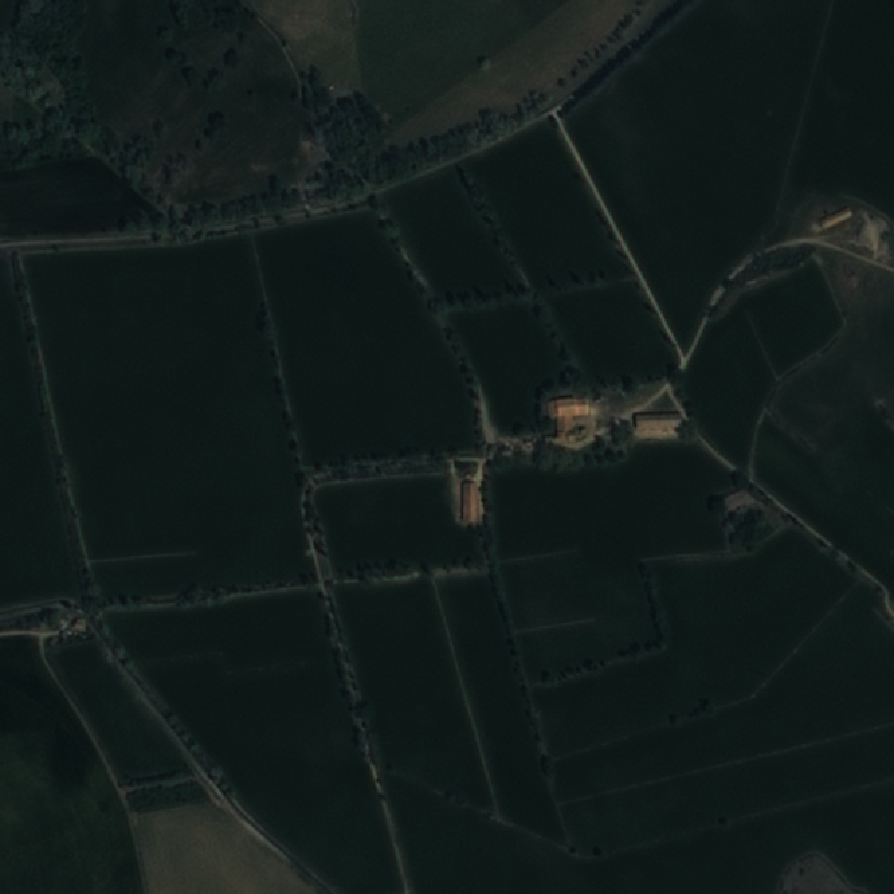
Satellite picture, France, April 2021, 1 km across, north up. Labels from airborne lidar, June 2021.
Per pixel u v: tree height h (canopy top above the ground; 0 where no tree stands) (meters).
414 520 0
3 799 0
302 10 0
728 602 0
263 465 0
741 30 0
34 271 0
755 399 0
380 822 0
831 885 0
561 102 0
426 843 0
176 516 0
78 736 0
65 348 0
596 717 0
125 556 0
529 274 0
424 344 0
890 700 0
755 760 0
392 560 0
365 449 0
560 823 0
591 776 0
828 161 0
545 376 0
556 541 0
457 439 0
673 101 0
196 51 0
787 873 0
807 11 0
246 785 0
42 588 0
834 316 0
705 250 0
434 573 18
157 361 0
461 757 0
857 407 0
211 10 16
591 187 0
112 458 0
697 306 0
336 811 0
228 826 0
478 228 0
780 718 0
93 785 0
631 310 0
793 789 0
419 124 0
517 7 0
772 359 0
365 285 0
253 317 0
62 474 8
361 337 0
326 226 0
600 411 0
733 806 0
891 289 0
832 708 0
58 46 11
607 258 0
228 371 0
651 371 0
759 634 0
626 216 0
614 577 0
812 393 0
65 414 0
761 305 0
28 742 0
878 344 0
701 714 10
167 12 0
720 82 0
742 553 0
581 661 0
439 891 0
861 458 0
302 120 0
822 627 0
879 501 0
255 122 0
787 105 0
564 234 0
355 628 0
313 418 0
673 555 0
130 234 19
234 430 0
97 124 16
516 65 0
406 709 0
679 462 0
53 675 0
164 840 0
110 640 7
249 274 0
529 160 0
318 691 0
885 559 0
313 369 0
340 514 0
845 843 0
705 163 0
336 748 0
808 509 0
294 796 0
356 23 0
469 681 0
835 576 0
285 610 0
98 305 0
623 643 0
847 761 0
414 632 0
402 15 0
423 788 0
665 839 0
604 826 0
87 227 0
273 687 0
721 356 0
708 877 0
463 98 0
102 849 0
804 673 0
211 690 0
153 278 0
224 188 0
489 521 11
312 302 0
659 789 0
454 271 0
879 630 0
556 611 0
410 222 0
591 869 0
